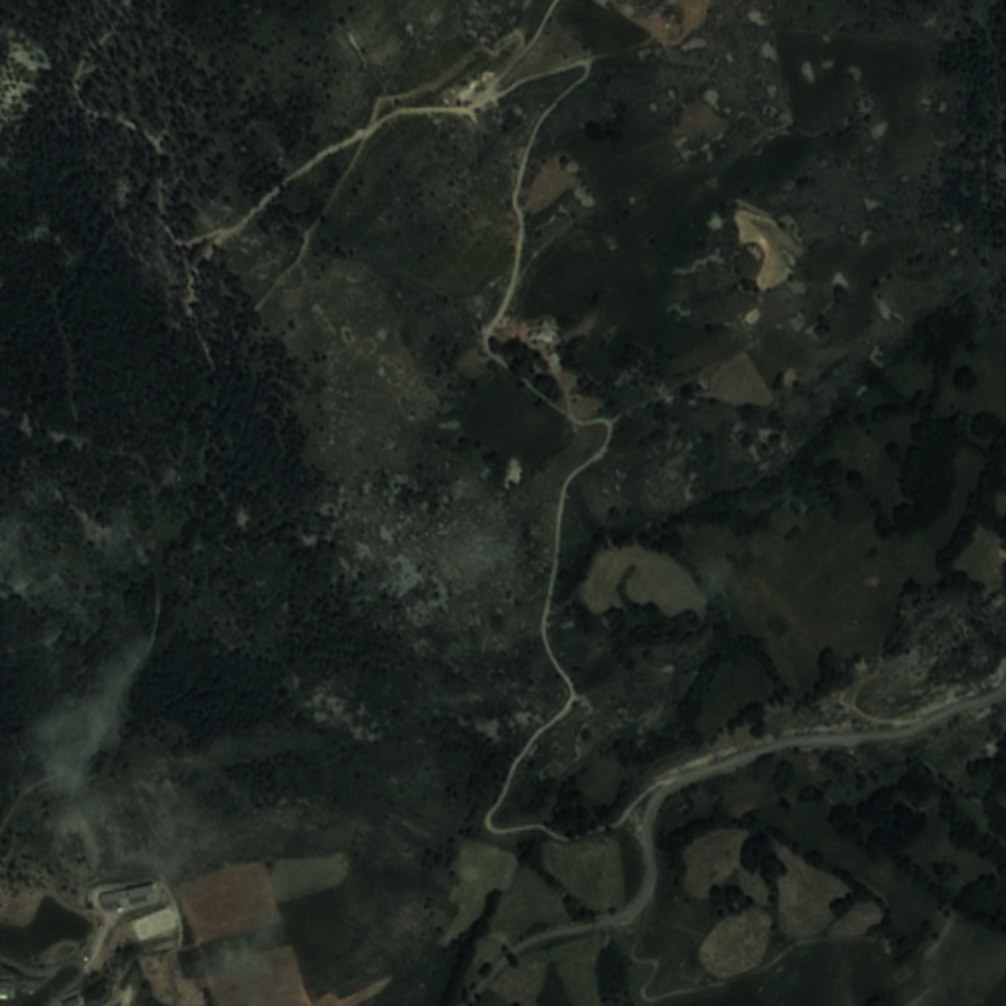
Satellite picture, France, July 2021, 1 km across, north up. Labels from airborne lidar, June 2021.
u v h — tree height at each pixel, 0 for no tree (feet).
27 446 42
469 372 0
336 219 0
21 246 38
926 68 0
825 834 0
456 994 43
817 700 30
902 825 76
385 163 0
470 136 0
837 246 0
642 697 0
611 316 0
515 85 0
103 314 35
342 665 36
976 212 41
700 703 39
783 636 0
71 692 33
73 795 0
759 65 0
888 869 0
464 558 0
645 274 0
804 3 0
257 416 37
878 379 39
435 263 0
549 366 48
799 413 0
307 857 0
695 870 0
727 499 45
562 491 0
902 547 0
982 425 45
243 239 0
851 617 0
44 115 38
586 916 52
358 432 0
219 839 0
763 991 0
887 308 0
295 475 34
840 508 27
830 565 0
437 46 0
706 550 0
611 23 0
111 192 33
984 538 0
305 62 19
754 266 0
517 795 0
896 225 0
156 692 29
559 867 0
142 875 0
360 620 20
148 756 0
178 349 58
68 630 39
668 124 0
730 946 0
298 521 18
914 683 0
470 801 22
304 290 0
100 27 41
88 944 0
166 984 0
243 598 28
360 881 0
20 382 23
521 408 0
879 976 0
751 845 47
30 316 42
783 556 0
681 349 0
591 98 0
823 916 0
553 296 0
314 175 0
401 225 0
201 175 45
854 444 0
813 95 0
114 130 55
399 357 0
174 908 0
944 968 0
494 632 24
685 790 26
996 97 21
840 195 0
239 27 24
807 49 0
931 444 46
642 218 0
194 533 41
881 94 0
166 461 25
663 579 0
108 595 40
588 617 33
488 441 0
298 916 0
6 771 31
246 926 0
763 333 0
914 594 34
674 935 0
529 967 0
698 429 0
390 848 0
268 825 0
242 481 49
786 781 38
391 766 0
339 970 0
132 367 48
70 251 31
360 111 0
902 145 0
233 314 40
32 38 30
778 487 38
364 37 0
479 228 0
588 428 0
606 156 0
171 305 38
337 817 0
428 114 0
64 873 0
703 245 20
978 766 36
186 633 29
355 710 0
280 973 0
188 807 0
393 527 0
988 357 0
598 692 0
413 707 0
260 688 28
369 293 0
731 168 0
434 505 22
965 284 0
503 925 0
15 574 35
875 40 0
